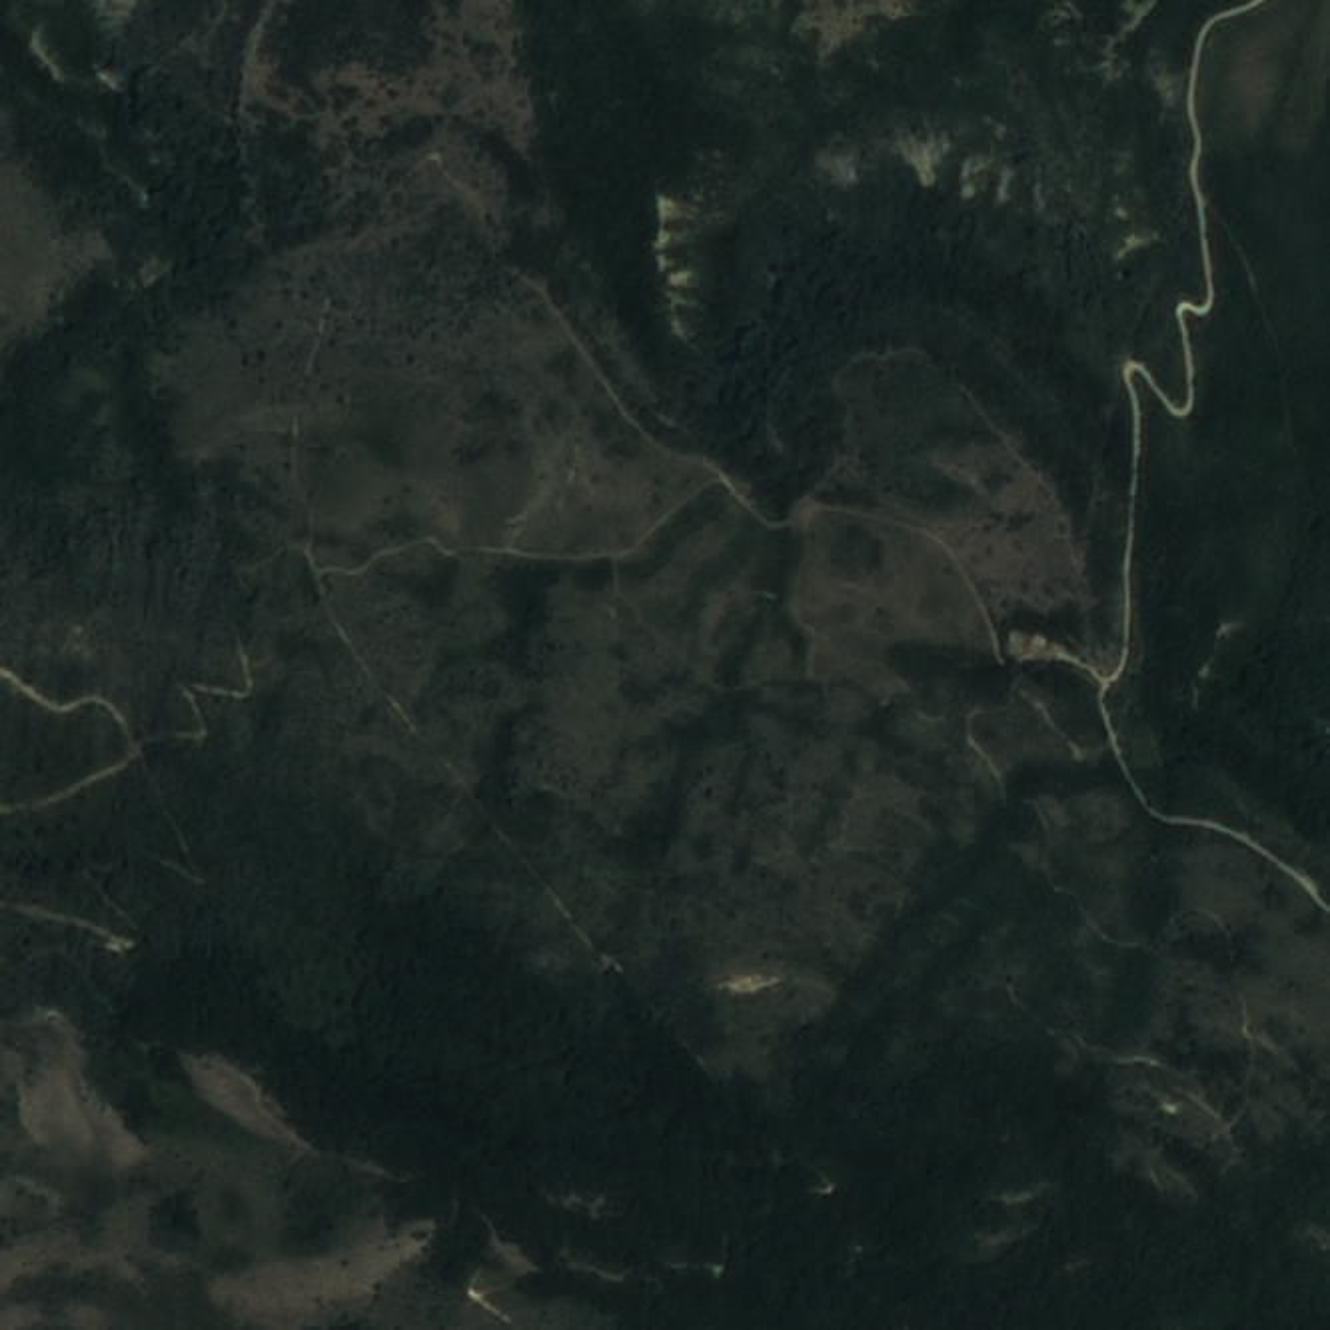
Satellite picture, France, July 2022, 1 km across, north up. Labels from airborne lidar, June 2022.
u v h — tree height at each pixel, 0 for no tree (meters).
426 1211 8
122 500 8
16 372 14
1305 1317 7
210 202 15
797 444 6
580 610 0
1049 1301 9
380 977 9
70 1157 0
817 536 0
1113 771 7
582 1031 11
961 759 0
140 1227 0
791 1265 11
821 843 0
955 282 8
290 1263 0
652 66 9
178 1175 0
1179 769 10
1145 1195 10
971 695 0
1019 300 6
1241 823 7
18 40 7
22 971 10
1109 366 0
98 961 10
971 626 0
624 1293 7
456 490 0
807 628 0
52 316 8
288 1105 11
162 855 6
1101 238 8
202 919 11
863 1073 6
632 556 0
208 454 0
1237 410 7
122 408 6
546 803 8
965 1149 8
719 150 8
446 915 8
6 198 0
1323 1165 7
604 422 0
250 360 6
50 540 6
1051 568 0
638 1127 12
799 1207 9
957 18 6
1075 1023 7
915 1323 9
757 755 0
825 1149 7
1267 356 7
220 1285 0
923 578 0
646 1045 7
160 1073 7
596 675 0
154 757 14
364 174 7
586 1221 8
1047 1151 6
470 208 0
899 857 0
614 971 8
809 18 0
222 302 7
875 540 0
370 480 0
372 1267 0
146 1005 13
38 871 15
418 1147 12
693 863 0
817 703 0
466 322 7
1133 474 8
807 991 0
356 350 6
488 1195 12
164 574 11
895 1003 8
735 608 0
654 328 9
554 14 10
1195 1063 6
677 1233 7
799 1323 9
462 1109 10
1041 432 7
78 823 16
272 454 0
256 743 7
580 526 0
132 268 11
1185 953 6
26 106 6
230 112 6
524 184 8
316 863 6
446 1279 7
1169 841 7
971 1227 6
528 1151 17
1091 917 0
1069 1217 6
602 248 12
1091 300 13
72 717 0
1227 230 6
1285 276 6
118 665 0
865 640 0
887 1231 7
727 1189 8
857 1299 9
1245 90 0
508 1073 12
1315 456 7
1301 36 0
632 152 11
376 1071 14
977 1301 11
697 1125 10
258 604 9
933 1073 7
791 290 8
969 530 0
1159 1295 9
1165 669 12
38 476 6
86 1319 0
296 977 12
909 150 0
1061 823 0
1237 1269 12
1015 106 0
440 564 0
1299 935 0
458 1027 9
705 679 0
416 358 9
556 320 0
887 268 9
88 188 10
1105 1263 10
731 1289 10
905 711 0
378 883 10
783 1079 6
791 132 5
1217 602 7
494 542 0
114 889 12
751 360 8
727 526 0
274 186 6
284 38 6
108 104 5
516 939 8
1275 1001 0
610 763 0
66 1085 0
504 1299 0
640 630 0
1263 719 7
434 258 7
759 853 0
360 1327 6
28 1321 0
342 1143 12
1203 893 0
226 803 11
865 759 0
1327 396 6
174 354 8
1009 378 6
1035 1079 7
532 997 13
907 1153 10
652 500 0
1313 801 9
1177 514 8
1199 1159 6
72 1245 0
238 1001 15
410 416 0
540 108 11
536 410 0
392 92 6
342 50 5
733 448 6
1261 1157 7
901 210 6
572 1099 15
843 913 0
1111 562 6
